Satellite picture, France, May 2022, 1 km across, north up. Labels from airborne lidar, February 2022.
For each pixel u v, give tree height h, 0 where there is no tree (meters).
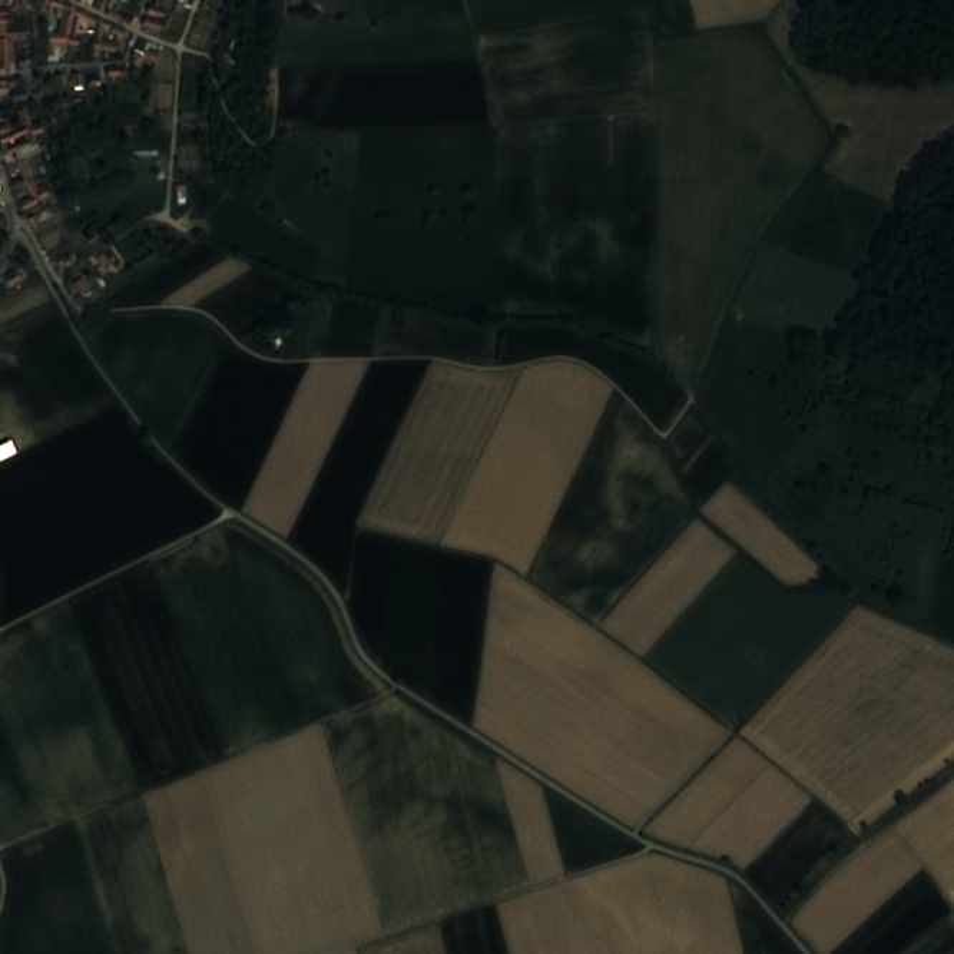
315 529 0
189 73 0
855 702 0
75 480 0
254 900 0
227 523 0
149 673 0
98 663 0
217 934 0
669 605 0
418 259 0
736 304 0
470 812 0
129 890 0
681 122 0
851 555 0
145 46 0
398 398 0
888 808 0
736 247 0
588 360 0
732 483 0
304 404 0
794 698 0
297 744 0
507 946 0
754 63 0
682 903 0
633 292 0
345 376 0
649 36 0
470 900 0
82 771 0
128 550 0
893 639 0
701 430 0
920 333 24
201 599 0
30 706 0
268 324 19
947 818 0
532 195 0
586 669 0
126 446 0
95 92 0
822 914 0
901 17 25
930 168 24
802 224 0
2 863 0
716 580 0
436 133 0
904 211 15
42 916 0
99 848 0
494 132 0
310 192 0
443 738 0
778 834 0
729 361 0
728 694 0
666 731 0
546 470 0
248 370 0
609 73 0
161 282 0
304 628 0
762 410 0
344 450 0
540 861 0
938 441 11
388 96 0
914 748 0
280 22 7
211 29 0
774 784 0
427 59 0
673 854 0
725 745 0
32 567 0
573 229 0
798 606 0
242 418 0
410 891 0
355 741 0
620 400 0
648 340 0
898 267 23
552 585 0
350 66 0
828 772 0
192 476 0
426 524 0
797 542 0
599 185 0
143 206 0
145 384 0
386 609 0
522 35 0
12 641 0
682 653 0
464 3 0
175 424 0
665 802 0
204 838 0
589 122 0
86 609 0
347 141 0
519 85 0
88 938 0
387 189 0
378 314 0
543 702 0
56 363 0
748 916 0
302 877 0
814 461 0
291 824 0
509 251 0
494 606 0
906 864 0
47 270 0
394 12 0
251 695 0
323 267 0
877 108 0
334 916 0
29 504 0
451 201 0
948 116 0
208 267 0
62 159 10
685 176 0
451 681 0
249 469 0
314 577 0
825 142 0
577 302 0
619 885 0
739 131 0
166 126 0
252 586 0
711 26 0
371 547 0
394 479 0
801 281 0
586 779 0
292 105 0
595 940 0
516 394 0
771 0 0
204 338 0
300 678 0
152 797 0
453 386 0
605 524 0
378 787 0
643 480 0
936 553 0
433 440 0
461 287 0
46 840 0
